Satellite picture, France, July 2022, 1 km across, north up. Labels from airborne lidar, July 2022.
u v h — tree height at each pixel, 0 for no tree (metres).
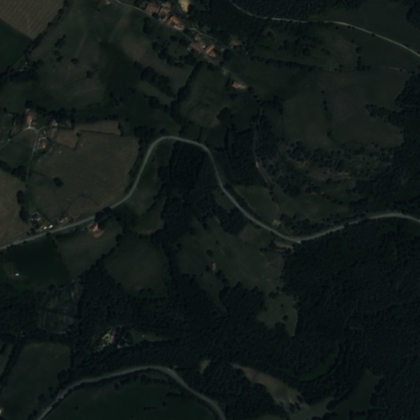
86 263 0
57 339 18
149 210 12
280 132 0
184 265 0
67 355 0
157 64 0
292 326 0
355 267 29
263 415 15
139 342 0
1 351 12
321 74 0
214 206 21
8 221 0
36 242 0
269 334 15
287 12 10
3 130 0
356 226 22
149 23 11
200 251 0
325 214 0
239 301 19
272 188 9
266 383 0
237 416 23
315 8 13
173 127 0
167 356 28
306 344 17
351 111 0
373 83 0
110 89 0
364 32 0
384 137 0
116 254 0
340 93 0
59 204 0
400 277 9
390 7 0
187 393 15
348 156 6
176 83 0
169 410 0
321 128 0
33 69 8
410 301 15
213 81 0
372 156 11
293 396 0
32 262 0
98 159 0
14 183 0
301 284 16
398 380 33
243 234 0
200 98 0
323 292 43
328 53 12
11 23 0
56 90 0
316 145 0
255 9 16
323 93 8
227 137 11
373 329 20
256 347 22
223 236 0
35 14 0
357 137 0
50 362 0
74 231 6
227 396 28
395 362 20
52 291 20
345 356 25
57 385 0
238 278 0
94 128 0
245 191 0
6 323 7
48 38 0
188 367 24
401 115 14
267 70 0
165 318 18
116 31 0
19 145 0
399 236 14
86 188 0
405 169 14
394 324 16
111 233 0
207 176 28
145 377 16
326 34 0
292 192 16
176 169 15
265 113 7
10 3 0
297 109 0
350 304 36
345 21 0
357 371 25
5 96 0
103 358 21
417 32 0
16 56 0
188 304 23
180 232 23
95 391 0
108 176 0
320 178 0
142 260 0
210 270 16
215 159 0
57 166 0
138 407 0
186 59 15
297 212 0
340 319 31
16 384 0
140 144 17
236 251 0
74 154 0
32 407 0
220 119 18
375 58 0
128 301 8
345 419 0
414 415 26
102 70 0
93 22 0
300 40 7
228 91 8
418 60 0
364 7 0
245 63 0
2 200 0
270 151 9
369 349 17
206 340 23
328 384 20
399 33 0
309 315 25
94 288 25
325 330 27
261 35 7
